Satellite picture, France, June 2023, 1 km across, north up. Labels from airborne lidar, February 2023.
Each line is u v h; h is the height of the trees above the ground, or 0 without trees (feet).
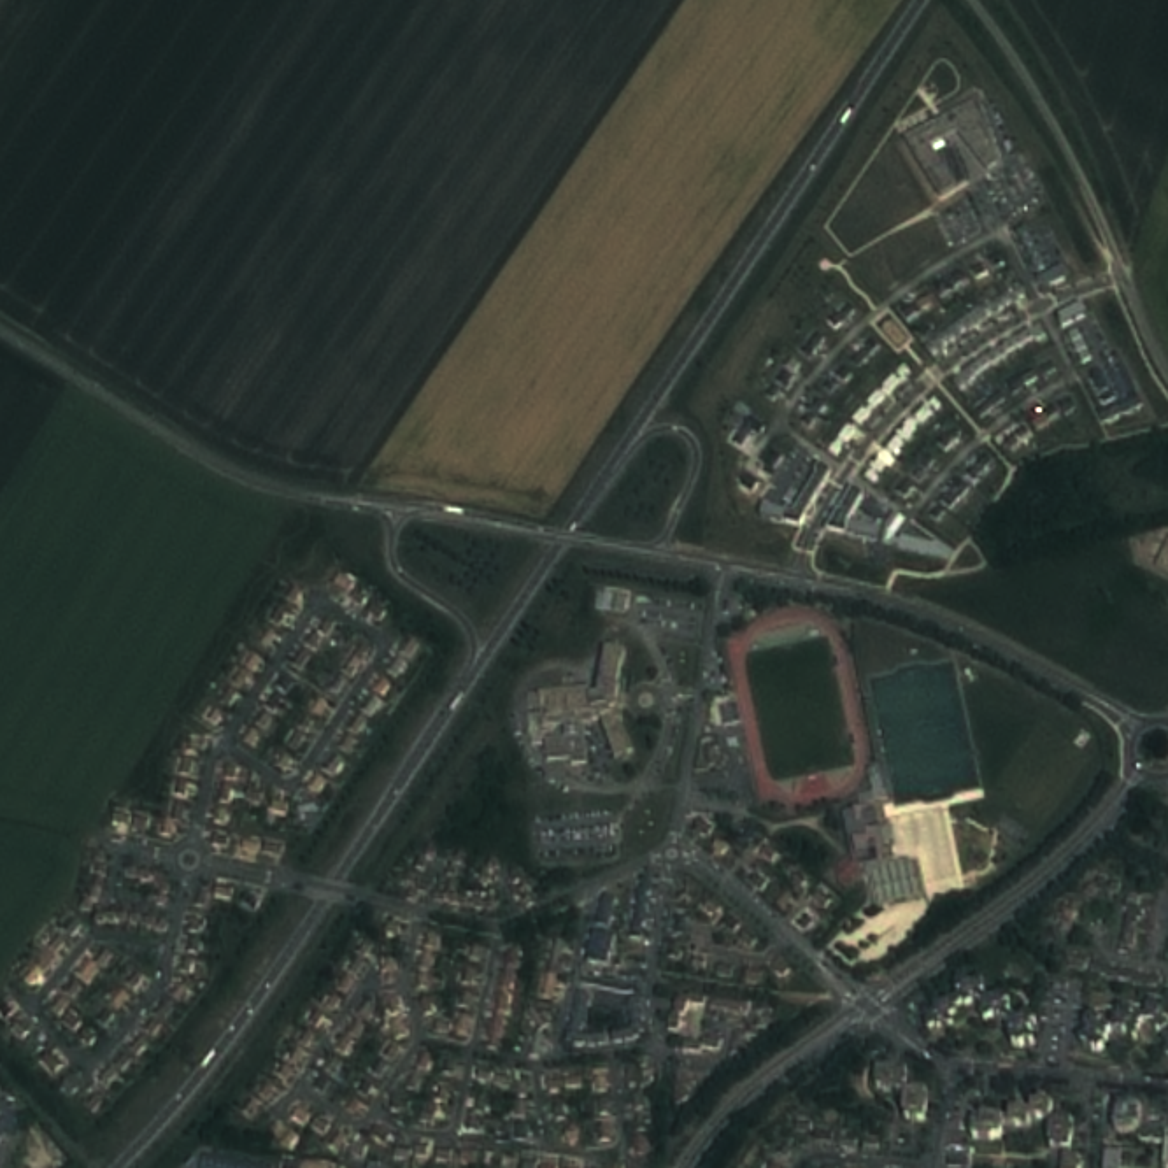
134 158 0
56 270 0
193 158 0
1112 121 0
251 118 0
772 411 0
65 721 0
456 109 0
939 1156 0
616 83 0
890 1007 0
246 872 0
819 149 0
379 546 0
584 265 0
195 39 0
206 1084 0
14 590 0
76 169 0
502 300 0
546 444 0
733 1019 0
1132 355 0
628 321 0
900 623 34
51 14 0
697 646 0
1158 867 69
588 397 0
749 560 0
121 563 0
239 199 0
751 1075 38
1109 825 0
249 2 0
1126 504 0
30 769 0
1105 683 0
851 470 0
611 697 0
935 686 0
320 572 0
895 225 0
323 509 0
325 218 0
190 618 0
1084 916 27
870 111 0
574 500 0
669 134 0
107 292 0
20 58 0
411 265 0
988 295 0
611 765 0
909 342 0
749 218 0
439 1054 26
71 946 0
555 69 0
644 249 0
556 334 0
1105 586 0
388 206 0
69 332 0
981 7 0
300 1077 0
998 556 26
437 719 0
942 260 0
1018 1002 0
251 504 0
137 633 0
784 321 0
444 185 0
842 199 0
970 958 49
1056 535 34
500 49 0
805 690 0
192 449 0
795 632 0
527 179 0
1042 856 34
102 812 0
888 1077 0
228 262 0
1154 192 0
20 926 0
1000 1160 0
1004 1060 0
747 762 0
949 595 0
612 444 0
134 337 0
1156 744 31
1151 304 0
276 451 0
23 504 0
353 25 0
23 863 0
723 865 0
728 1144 58
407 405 0
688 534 0
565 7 0
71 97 0
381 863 0
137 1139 0
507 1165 0
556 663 0
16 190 0
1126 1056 28
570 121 0
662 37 0
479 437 0
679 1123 35
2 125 0
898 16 0
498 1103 32
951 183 0
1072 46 0
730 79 0
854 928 23
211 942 18
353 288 0
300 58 0
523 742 0
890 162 0
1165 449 24
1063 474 37
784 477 0
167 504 0
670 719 0
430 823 0
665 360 0
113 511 0
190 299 0
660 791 0
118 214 0
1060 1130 0
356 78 0
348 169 0
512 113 0
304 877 0
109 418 0
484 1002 0
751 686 0
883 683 0
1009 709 0
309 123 0
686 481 0
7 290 0
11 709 0
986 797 0
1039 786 0
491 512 0
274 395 0
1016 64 0
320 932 0
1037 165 0
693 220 0
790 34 0
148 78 0
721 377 0
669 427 0
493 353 0
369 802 0
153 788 0
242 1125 0
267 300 0
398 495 0
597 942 0
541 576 0
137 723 0
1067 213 0
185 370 0
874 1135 20
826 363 0
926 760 0
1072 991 0
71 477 0
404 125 0
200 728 0
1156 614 0
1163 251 0
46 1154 0
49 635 0
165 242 0
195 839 0
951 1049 28
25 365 0
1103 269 0
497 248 0
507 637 0
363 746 0
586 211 0
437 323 0
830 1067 43
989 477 0
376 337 0
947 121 0
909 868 0
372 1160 20
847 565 0
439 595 0
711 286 0
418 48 0
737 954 0
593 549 0
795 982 0
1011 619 0
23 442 0
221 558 0
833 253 0
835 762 0
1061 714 0
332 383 0
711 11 0
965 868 0
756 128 0
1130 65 0
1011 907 0
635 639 0
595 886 0
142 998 20
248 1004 0
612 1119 0
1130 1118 0
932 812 0
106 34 0
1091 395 0
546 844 0
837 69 0
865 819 0
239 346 0
